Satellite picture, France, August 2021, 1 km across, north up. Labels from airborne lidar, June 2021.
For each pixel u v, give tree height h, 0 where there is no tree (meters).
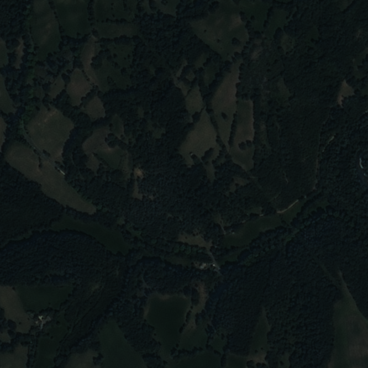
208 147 0
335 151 21
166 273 29
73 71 6
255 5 0
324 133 17
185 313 0
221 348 0
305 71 24
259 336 0
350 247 27
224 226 0
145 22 23
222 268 0
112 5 9
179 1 0
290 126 9
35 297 0
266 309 9
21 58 0
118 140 14
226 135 0
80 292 11
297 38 12
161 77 21
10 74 33
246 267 22
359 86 16
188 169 12
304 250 20
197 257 16
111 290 8
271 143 16
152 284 23
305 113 10
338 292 19
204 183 13
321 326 28
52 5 12
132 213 19
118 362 0
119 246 0
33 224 13
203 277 13
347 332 0
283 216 6
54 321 9
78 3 0
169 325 0
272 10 14
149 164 20
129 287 31
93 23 10
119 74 0
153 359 23
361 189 27
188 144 0
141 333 26
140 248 24
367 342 0
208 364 0
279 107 7
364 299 21
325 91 20
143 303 19
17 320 0
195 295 22
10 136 25
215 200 18
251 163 0
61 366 24
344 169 15
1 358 0
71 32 0
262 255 23
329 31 28
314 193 12
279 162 9
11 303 0
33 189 23
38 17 0
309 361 23
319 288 26
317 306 23
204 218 26
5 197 9
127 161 0
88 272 22
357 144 19
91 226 0
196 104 0
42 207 18
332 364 0
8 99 0
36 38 0
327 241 22
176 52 11
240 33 0
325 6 20
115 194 20
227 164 8
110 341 0
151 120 13
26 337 14
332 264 20
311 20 19
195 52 21
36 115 0
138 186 6
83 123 27
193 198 19
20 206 12
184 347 0
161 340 0
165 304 0
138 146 10
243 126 0
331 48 25
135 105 16
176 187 17
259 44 0
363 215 22
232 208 10
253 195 9
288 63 19
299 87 23
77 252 25
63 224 0
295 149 10
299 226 24
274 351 14
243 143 9
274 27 0
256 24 0
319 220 30
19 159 0
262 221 0
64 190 0
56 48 0
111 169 6
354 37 13
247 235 0
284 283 26
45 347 0
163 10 0
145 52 28
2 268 25
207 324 0
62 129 0
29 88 19
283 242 13
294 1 12
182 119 20
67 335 6
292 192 11
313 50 14
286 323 13
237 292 21
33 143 0
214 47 0
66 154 19
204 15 19
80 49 16
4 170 21
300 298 25
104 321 23
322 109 10
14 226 20
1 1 23
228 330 18
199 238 0
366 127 21
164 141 17
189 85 14
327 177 19
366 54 0
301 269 25
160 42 20
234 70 0
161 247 22
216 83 15
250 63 13
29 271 25
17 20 21
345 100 15
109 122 13
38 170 0
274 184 9
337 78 16
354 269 23
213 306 30
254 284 20
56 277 0
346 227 24
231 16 0
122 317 28
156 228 20
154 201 8
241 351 15
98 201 21
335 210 24
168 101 19
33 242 19
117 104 20
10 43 28
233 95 0
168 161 18
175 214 14
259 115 15
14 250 23
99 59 17
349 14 18
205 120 0
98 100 0
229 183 14
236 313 18
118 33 0
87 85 0
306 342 25
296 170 13
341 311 0
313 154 8
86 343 22
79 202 0
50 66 0
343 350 0
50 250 29
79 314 13
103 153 0
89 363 0
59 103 25
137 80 18
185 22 20
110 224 20
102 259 19
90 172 15
